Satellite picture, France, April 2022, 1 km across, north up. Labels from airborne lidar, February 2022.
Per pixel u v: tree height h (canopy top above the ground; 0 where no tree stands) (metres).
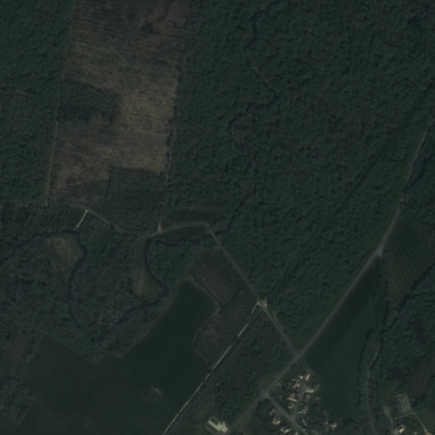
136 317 26
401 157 26
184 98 24
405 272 0
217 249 17
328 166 26
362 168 23
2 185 25
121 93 0
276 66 30
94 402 0
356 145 27
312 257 24
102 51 0
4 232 8
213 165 20
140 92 0
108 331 10
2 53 23
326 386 0
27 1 19
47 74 21
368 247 17
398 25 23
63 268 0
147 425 0
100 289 29
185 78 26
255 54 23
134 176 20
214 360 7
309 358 0
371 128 30
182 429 0
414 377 7
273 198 27
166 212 23
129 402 0
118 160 0
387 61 32
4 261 8
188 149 28
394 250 0
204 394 9
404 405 0
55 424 0
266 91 22
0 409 19
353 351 0
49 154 25
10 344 15
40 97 28
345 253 24
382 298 0
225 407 17
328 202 21
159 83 0
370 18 25
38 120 22
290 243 22
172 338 0
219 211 28
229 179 30
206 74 21
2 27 18
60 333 27
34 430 0
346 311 0
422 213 13
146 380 0
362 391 9
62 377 0
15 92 21
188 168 27
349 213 24
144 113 0
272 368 17
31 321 27
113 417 0
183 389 0
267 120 28
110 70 0
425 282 22
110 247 19
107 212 18
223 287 0
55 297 22
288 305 27
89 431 0
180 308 0
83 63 0
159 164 0
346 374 0
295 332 26
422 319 24
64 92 26
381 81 30
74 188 0
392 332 17
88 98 25
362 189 26
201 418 0
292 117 24
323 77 26
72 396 0
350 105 27
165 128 0
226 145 23
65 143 0
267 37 28
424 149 11
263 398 0
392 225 0
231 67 23
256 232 29
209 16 22
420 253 0
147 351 0
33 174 27
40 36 27
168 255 24
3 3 13
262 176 21
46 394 0
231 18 24
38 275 29
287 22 28
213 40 19
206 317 0
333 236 26
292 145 27
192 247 25
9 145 23
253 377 17
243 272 9
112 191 18
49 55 26
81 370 0
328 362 0
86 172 0
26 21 26
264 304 0
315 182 31
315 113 29
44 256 29
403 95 28
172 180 24
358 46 23
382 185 27
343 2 18
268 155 24
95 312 27
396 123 28
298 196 24
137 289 0
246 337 14
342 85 30
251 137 22
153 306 12
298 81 28
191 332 0
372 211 29
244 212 27
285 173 27
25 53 24
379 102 31
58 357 0
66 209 12
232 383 17
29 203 25
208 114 27
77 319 26
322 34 28
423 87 24
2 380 0
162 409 0
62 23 23
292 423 0
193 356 0
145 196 19
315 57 27
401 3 25
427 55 26
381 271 0
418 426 8
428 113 26
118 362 0
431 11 24
